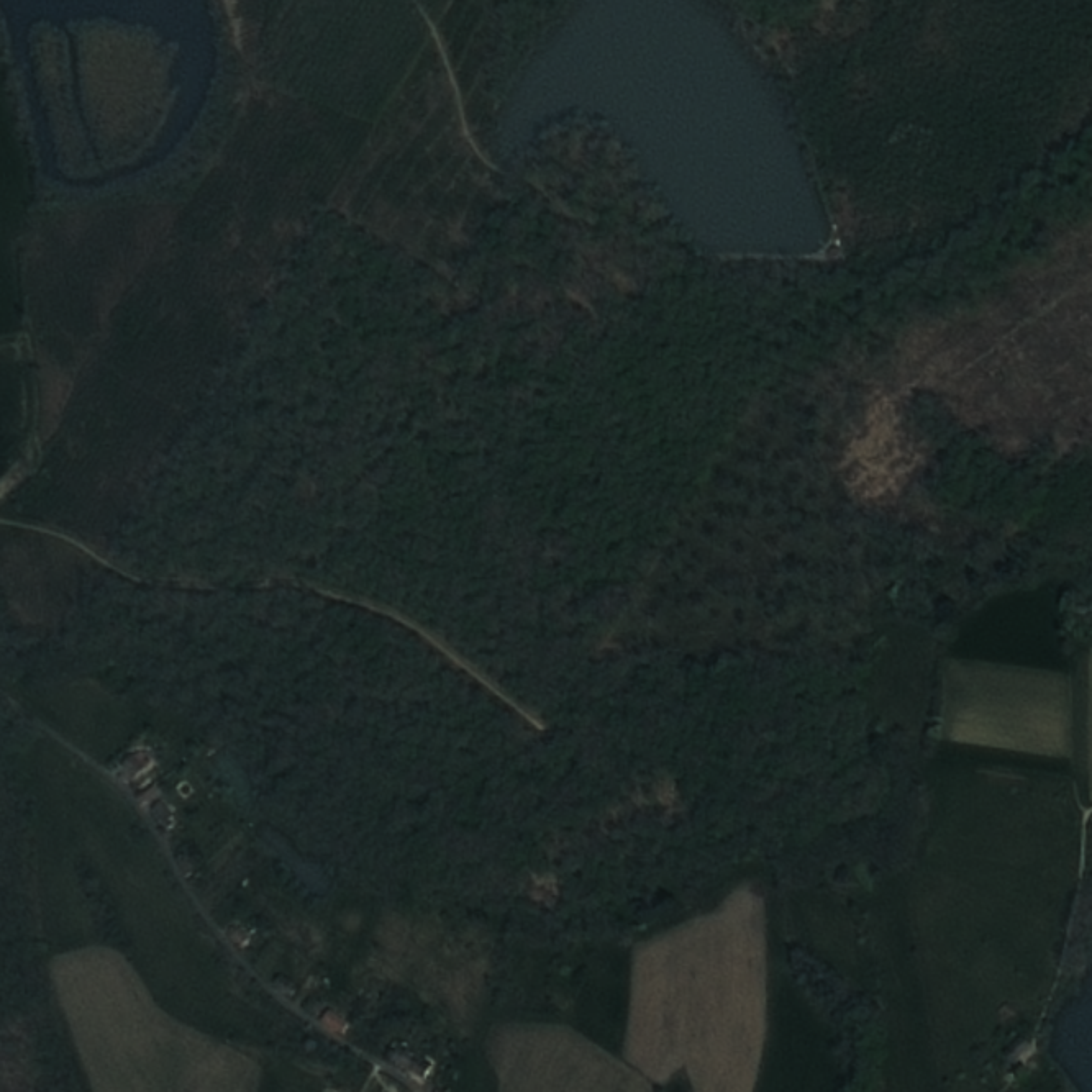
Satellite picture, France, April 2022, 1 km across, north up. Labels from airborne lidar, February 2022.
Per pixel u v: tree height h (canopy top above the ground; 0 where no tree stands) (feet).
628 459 89
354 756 89
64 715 0
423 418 84
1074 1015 0
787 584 77
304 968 0
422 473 71
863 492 0
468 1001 0
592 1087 0
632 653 0
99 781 0
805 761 97
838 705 79
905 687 0
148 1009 0
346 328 70
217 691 98
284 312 71
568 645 93
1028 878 0
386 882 87
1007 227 85
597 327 83
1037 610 0
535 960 0
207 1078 0
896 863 69
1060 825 0
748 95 0
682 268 86
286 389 82
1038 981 0
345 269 78
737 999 0
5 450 0
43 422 0
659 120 0
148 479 0
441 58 0
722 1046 0
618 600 76
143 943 0
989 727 0
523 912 64
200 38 0
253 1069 0
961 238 83
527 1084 0
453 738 96
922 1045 0
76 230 0
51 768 0
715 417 84
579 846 90
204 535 75
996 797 0
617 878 90
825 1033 0
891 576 73
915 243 40
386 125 0
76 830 0
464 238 0
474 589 69
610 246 83
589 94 0
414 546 86
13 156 0
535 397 95
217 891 0
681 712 86
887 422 0
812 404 81
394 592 78
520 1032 0
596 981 0
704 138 0
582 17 0
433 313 62
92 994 0
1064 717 0
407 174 0
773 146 0
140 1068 0
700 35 0
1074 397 0
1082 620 58
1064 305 0
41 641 19
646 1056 0
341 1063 38
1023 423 0
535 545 90
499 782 92
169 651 94
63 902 0
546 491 72
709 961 0
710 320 72
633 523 78
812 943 0
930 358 0
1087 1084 0
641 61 0
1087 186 76
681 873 83
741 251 0
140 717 0
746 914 0
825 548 97
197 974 0
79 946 0
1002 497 87
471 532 79
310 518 86
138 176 43
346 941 0
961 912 0
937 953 0
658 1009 0
